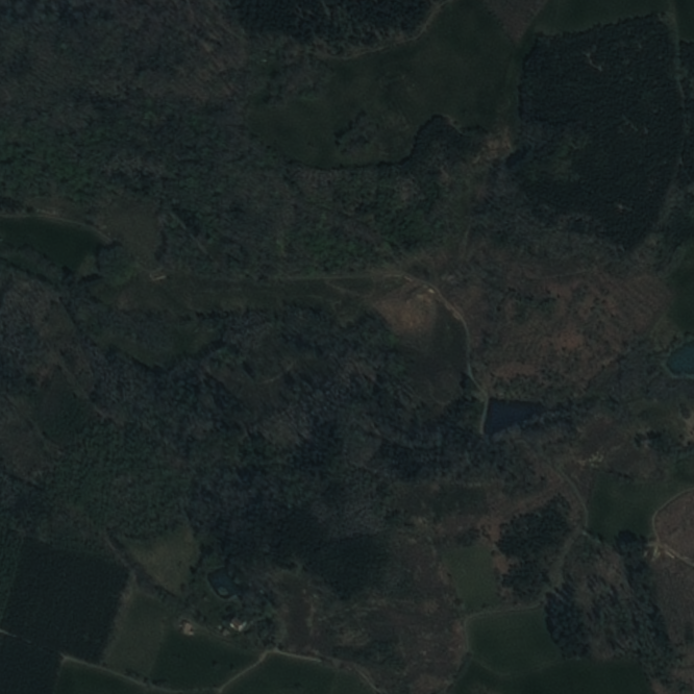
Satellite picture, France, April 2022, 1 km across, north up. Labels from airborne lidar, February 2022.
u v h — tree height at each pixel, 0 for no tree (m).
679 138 13
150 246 0
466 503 0
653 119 9
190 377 22
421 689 0
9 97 25
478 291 0
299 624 0
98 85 21
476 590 0
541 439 25
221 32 25
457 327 0
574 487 0
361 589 15
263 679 0
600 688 0
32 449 0
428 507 0
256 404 0
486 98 0
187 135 22
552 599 0
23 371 22
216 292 0
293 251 13
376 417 26
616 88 9
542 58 13
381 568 7
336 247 16
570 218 10
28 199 22
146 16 29
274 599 24
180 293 0
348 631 0
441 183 21
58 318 0
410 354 0
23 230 0
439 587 0
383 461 15
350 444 28
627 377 19
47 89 22
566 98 13
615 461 0
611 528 0
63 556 7
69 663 0
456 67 0
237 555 25
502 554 8
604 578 0
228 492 33
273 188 22
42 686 8
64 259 0
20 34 22
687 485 0
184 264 24
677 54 11
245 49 24
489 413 0
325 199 16
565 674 0
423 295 26
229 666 0
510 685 0
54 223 0
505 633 0
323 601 16
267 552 27
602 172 11
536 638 0
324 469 19
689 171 12
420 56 0
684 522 0
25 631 7
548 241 20
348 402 29
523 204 20
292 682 0
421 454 18
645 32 10
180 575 0
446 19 0
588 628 33
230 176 24
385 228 10
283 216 26
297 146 0
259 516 28
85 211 21
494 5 0
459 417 15
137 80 19
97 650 7
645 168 12
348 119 0
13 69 22
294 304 0
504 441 23
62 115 27
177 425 29
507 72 0
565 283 0
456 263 0
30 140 16
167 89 28
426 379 0
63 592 7
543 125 22
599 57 9
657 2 0
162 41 26
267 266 22
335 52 16
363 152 17
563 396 8
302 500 13
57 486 12
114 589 8
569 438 18
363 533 10
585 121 9
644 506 0
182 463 14
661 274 21
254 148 22
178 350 0
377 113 0
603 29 10
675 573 0
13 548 12
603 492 0
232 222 29
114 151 24
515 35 0
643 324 0
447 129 18
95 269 0
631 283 0
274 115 0
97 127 30
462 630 0
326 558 14
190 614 13
